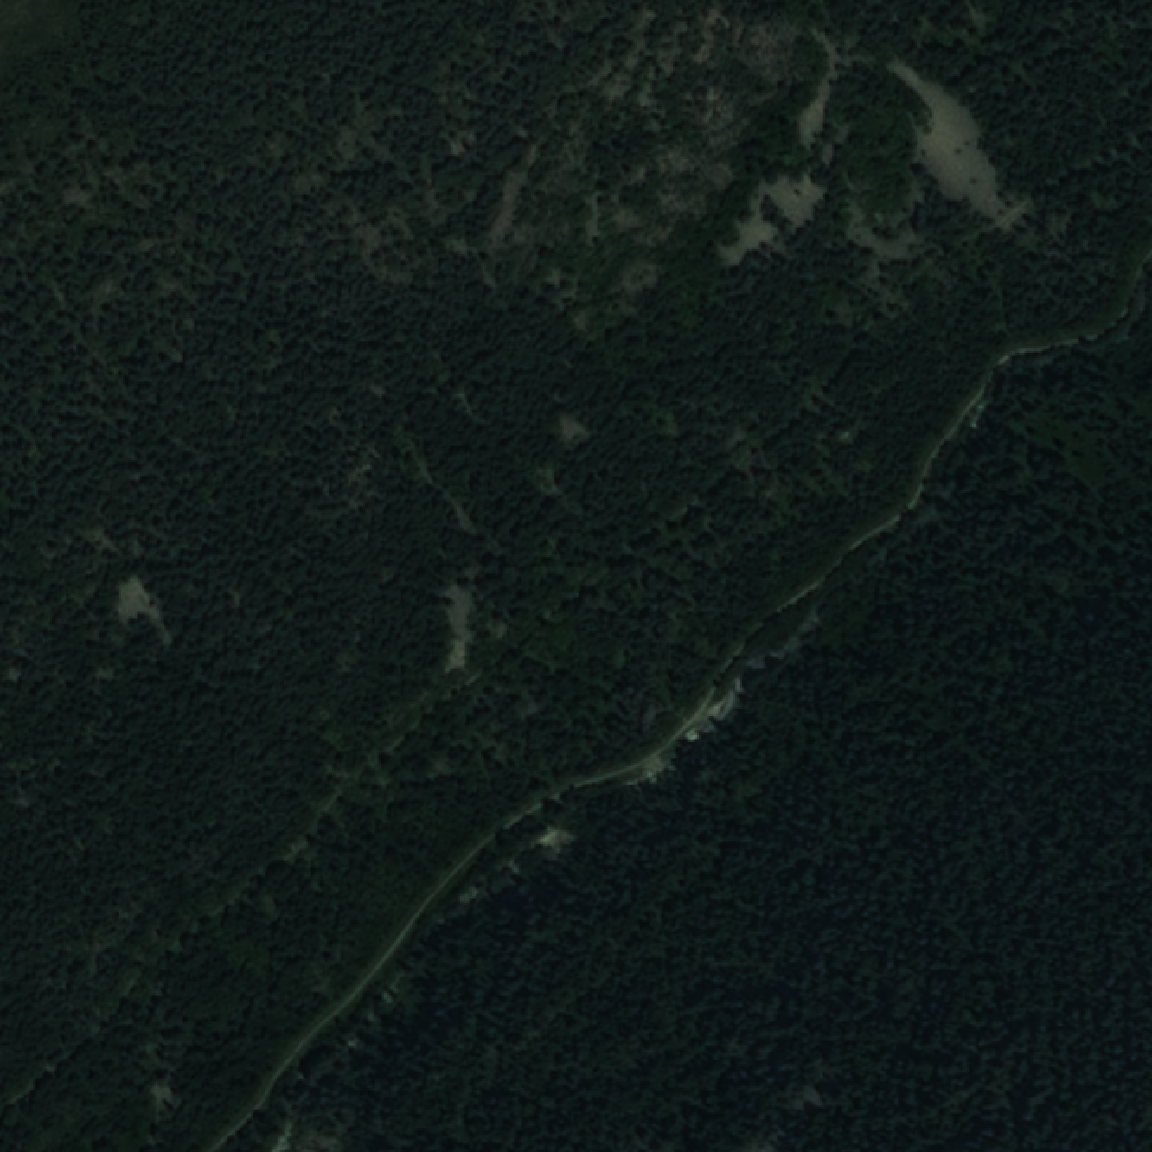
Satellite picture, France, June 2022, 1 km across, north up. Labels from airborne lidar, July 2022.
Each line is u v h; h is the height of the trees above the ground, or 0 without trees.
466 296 29
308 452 24
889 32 35
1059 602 23
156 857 11
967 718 15
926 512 6
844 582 10
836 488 8
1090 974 12
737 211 11
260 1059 19
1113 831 10
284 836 20
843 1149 13
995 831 25
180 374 28
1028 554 28
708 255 18
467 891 11
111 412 19
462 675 9
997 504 6
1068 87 21
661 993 15
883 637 9
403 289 16
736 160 12
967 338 13
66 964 29
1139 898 15
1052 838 18
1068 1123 15
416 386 20
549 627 34
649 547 32
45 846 26
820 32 11
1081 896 13
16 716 12
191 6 10
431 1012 7
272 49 26
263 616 20
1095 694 16
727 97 8
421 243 12
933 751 22
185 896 14
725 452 8
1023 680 11
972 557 10
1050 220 26
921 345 22
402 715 8
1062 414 8
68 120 19
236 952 16
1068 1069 23
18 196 9
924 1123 9
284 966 17
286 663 26
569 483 31
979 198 0
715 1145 15
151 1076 34
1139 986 26
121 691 12
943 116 0
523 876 9
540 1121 12
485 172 27
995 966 20
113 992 14
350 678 18
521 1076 19
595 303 10
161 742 14
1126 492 10
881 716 17
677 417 13
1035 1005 11
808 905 13
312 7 22
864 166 7
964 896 17
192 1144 14
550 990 14
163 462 10
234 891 16
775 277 25
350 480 18
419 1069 8
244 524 13
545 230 5
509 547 31
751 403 24
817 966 13
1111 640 17
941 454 7
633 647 16
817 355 27
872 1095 14
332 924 14
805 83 11
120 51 7
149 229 14
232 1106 21
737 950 14
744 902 14
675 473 26
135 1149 8
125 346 28
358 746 16
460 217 11
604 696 15
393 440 21
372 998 14
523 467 9
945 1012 17
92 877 29
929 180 30
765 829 9
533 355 22
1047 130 13
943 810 11
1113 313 19
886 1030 18
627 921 20
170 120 19
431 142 27
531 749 10
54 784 37
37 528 29
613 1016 16
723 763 11
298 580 20
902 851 12
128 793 29
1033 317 15
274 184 19
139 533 12
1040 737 11
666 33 12
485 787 10
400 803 12
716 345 20
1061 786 22
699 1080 18
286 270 30
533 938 19
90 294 8
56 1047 22
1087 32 28
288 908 22
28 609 24
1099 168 9
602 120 12
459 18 15
